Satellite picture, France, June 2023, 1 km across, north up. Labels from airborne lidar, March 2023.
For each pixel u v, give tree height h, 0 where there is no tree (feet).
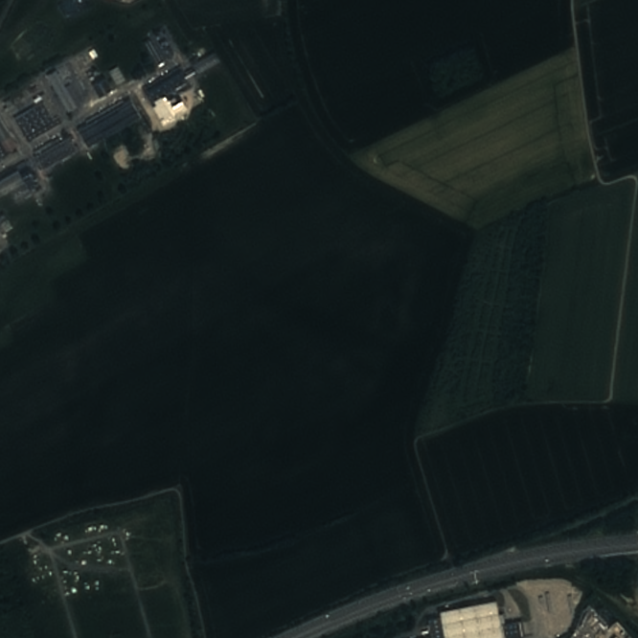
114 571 0
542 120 0
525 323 36
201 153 0
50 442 0
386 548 0
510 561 0
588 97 0
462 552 0
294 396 0
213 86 0
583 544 0
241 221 0
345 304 0
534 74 0
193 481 0
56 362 0
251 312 0
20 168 0
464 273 0
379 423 0
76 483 0
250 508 0
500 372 27
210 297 0
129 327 0
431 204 0
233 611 0
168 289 0
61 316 0
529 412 0
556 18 0
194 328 0
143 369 0
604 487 0
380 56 0
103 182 0
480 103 0
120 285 0
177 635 0
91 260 0
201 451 0
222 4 0
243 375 0
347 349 0
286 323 0
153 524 0
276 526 0
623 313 0
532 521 0
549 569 0
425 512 0
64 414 0
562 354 0
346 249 0
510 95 0
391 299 0
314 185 0
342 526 0
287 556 0
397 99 0
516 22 0
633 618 0
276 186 0
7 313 0
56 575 0
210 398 0
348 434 0
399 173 0
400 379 0
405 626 37
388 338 0
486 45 0
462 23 0
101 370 0
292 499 0
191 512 0
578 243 0
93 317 0
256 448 0
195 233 0
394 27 0
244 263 0
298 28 0
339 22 0
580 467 0
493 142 0
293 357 0
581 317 0
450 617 0
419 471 0
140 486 0
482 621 0
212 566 0
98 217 0
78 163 0
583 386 0
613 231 0
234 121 0
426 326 0
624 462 0
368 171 0
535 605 0
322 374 0
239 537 0
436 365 0
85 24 0
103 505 0
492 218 0
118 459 0
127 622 0
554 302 0
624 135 0
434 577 0
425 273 0
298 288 0
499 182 0
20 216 0
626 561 46
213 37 0
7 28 0
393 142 0
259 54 0
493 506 0
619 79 0
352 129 0
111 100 0
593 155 0
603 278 0
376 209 0
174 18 0
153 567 0
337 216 0
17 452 0
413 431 0
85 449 0
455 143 0
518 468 0
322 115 0
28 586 0
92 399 0
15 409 0
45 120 0
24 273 0
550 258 0
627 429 0
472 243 0
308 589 0
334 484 0
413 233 0
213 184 0
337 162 0
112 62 0
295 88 0
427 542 0
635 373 0
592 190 0
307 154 0
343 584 0
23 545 0
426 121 0
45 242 0
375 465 0
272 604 0
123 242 0
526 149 0
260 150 0
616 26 0
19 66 0
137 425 0
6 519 0
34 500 0
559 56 0
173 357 0
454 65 52
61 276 0
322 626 0
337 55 0
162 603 0
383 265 0
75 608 0
